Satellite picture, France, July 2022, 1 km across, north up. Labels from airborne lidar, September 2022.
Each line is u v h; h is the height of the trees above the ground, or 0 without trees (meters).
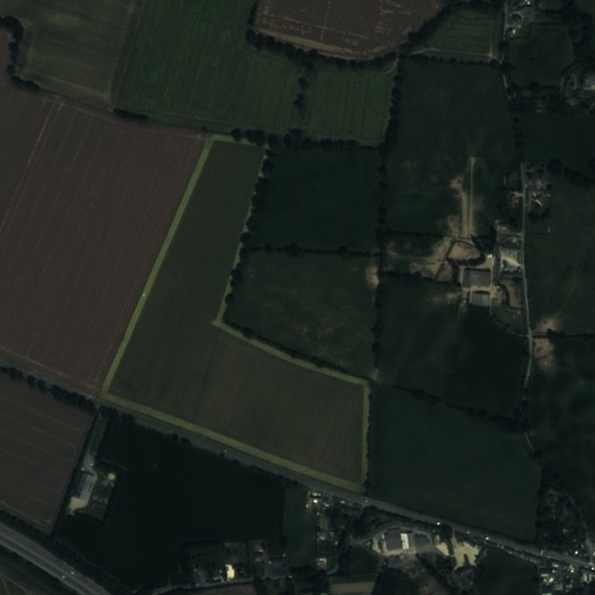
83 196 0
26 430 0
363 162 0
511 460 0
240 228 0
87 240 0
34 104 0
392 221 0
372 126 0
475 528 8
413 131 0
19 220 0
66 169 0
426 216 0
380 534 0
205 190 0
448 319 0
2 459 0
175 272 0
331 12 0
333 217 0
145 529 0
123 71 0
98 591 0
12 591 0
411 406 0
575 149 0
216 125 0
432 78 0
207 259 0
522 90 6
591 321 0
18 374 19
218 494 0
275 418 0
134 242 0
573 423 0
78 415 0
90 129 0
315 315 0
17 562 8
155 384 0
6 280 0
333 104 0
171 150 0
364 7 0
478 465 0
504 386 0
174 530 0
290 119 0
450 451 0
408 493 0
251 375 0
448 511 0
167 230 0
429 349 0
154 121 0
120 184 0
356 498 0
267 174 17
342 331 0
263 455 0
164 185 0
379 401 0
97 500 0
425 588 0
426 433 0
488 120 0
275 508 0
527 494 0
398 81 15
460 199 0
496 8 12
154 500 0
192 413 0
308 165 0
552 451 0
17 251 0
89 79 0
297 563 0
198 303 0
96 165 0
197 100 0
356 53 0
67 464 0
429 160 0
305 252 9
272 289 0
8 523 8
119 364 0
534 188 0
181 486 0
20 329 0
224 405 0
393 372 0
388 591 13
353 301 0
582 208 0
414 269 0
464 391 0
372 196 0
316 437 0
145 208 0
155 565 0
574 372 0
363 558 0
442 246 0
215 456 0
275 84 0
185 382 0
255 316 0
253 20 13
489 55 0
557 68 0
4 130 0
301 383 0
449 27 0
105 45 0
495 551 0
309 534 0
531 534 0
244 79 0
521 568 0
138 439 0
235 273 15
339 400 0
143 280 0
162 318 0
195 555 6
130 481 0
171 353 0
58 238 0
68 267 0
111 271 0
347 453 0
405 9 0
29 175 0
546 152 0
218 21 0
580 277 0
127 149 0
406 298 0
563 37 0
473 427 0
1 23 16
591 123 0
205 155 0
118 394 0
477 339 0
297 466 0
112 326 0
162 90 0
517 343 0
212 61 0
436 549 0
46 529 0
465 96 0
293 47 14
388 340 0
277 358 0
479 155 0
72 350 0
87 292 0
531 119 0
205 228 0
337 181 0
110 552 0
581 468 0
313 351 0
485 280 0
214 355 0
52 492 0
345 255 19
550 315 0
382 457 0
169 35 0
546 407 0
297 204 0
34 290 0
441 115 0
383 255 13
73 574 0
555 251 0
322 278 0
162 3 0
